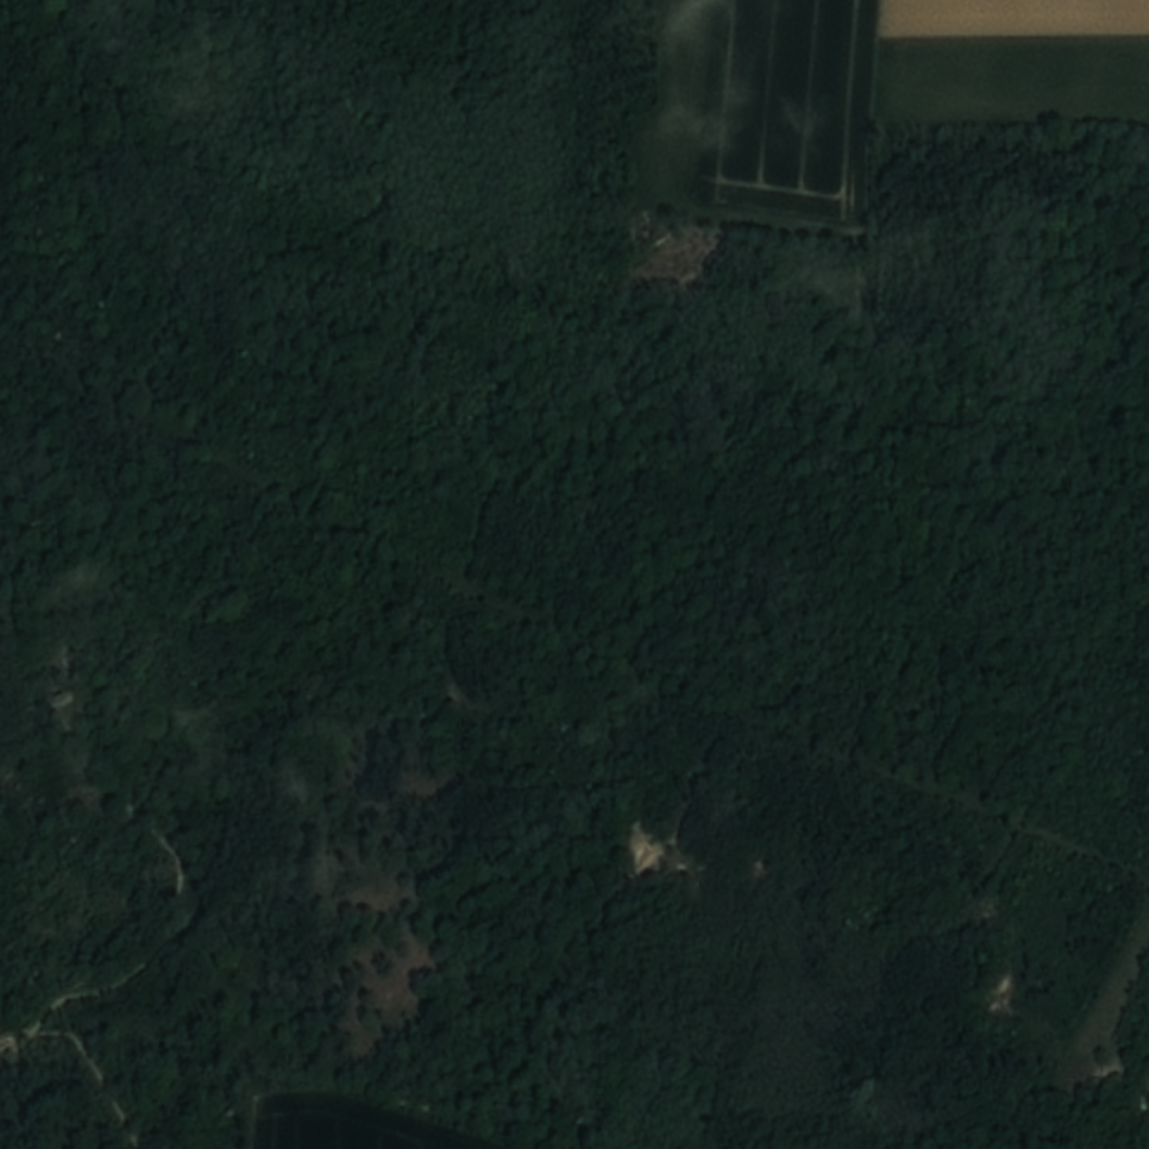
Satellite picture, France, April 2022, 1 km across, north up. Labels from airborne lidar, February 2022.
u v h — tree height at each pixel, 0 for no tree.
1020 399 21
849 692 14
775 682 20
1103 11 0
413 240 20
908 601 21
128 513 20
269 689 20
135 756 16
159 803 23
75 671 15
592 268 20
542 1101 17
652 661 17
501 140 24
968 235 28
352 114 23
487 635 9
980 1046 16
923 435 12
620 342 22
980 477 26
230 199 19
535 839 20
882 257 7
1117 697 14
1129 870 11
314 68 23
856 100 0
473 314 15
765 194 0
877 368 26
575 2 22
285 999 20
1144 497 17
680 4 0
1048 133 23
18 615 14
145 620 13
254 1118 0
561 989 23
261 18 19
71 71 7
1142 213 28
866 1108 22
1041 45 0
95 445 10
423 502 18
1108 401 24
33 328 17
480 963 13
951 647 16
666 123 0
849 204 0
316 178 26
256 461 10
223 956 21
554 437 24
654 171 0
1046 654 22
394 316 21
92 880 14
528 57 23
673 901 13
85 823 17
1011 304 17
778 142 0
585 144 25
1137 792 18
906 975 28
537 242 24
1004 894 8
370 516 19
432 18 20
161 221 19
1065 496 7
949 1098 21
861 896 12
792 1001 19
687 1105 24
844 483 14
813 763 10
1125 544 18
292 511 6
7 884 17
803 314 20
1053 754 20
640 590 19
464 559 14
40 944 13
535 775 19
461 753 7
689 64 0
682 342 20
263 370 13
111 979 23
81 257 11
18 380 8
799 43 0
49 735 19
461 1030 22
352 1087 20
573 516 8
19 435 8
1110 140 20
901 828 7
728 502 14
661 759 12
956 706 20
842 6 0
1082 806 16
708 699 18
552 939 23
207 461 16
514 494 8
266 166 26
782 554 15
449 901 21
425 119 24
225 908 23
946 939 13
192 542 17
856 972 21
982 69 0
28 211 8
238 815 19
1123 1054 9
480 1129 17
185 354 16
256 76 19
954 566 20
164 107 21
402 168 23
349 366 20
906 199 18
